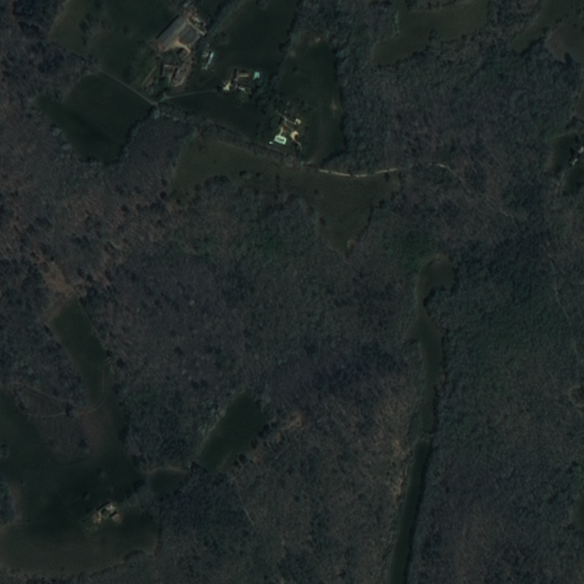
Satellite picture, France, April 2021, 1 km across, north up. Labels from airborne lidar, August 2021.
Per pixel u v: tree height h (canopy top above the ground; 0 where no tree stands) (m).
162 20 0
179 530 18
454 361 20
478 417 15
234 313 23
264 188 0
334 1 19
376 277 13
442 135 17
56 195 18
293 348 24
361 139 18
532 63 20
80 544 0
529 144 21
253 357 23
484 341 16
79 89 0
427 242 17
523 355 21
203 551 13
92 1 0
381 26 21
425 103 19
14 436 0
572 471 16
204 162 0
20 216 12
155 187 8
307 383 17
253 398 13
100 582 19
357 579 13
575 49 0
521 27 11
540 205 21
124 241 21
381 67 12
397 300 19
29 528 0
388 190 0
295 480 10
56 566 0
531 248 22
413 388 18
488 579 14
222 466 0
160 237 22
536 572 14
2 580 16
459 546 9
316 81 0
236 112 0
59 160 18
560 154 0
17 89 13
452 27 0
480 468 18
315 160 0
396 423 16
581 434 22
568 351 21
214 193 24
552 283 20
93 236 22
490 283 23
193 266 18
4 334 13
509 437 17
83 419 0
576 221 21
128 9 0
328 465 12
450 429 21
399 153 13
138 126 11
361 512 11
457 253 21
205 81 0
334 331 19
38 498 0
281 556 15
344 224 0
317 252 19
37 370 17
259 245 18
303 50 0
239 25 0
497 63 28
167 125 17
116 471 0
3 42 12
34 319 16
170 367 12
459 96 22
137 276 21
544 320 21
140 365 13
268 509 12
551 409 20
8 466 0
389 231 18
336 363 17
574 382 20
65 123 0
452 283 0
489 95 17
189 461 19
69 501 0
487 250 23
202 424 15
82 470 0
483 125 19
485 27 7
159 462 19
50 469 0
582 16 10
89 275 14
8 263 11
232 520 23
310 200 0
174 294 20
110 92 0
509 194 20
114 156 0
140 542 0
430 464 16
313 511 10
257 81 8
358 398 20
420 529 18
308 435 15
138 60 0
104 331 20
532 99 21
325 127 0
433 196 14
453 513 12
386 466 10
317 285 14
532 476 25
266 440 20
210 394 16
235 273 12
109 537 0
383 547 10
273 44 0
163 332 12
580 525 0
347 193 0
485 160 22
